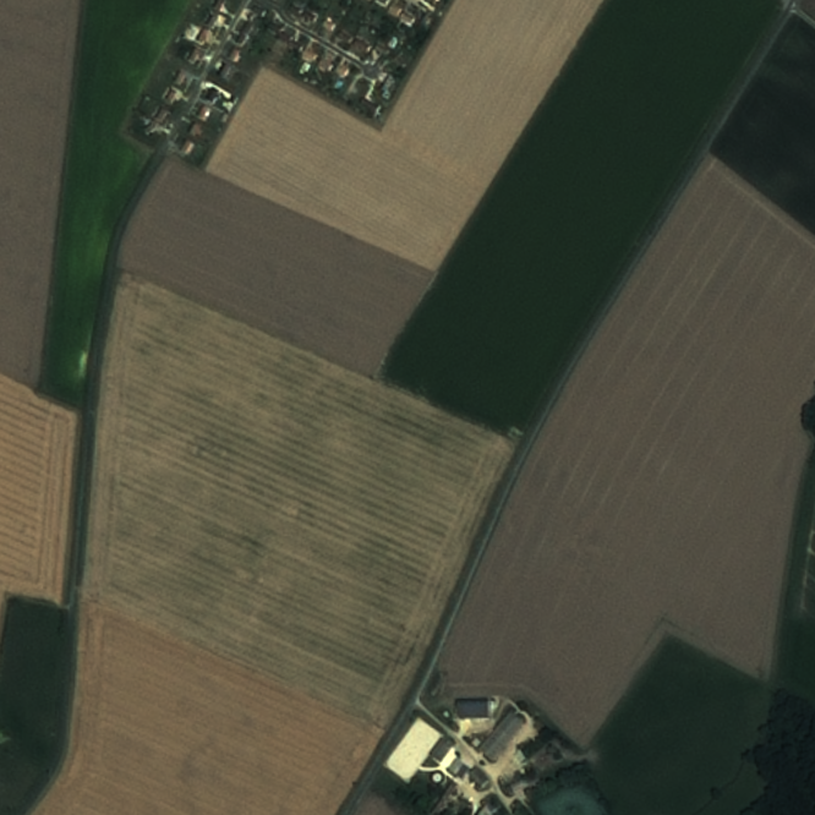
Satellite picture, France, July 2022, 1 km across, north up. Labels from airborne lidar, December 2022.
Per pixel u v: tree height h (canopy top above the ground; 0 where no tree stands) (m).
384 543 0
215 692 0
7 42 0
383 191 0
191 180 0
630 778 0
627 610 0
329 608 0
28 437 0
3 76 0
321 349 0
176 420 0
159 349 0
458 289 0
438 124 0
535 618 0
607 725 0
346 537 0
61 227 0
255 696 0
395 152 0
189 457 0
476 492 0
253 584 0
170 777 0
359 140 0
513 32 0
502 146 0
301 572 0
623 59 0
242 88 0
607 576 0
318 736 0
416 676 0
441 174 0
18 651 0
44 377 0
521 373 0
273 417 0
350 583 0
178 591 0
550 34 0
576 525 0
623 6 0
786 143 0
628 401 0
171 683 0
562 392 0
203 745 0
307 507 0
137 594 0
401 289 0
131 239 0
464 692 0
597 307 0
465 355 0
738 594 0
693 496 0
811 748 20
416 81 0
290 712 0
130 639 0
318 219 0
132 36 0
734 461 0
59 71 0
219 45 0
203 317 0
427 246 0
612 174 0
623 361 0
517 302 0
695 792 0
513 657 0
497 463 0
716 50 0
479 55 0
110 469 0
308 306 0
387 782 0
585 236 0
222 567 0
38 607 0
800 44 0
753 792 0
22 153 0
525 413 0
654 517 0
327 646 0
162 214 0
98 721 0
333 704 0
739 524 0
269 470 0
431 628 0
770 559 0
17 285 0
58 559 0
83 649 0
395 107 0
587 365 0
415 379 0
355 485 0
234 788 0
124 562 0
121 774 0
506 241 0
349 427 0
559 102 0
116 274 0
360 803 0
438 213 0
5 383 0
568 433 0
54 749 0
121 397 0
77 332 0
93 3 0
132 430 0
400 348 0
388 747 0
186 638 0
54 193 0
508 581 0
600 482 0
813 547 0
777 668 0
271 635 0
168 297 0
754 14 0
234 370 0
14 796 0
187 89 0
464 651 0
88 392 0
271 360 0
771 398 0
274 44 0
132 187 0
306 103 0
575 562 0
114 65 0
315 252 0
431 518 0
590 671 0
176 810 0
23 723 0
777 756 19
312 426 0
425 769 0
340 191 0
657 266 0
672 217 0
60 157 0
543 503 0
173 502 0
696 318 0
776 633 0
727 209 0
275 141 0
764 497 0
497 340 0
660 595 0
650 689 0
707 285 0
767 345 0
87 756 0
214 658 0
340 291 0
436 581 0
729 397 0
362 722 0
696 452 0
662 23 0
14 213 0
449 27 0
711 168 0
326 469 0
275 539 0
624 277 0
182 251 0
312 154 0
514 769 0
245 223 0
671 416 0
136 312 0
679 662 0
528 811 12
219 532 0
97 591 0
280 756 0
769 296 0
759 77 0
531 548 0
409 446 0
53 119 0
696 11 0
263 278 0
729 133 0
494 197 0
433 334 0
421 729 0
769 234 0
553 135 0
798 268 0
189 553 0
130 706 0
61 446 0
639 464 0
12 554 0
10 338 0
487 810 0
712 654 0
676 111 0
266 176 0
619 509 0
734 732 0
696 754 0
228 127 0
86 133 0
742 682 0
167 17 0
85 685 0
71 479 0
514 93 0
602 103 0
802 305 0
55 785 0
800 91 0
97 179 0
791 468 0
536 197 0
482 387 0
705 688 0
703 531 0
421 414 0
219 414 0
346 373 0
